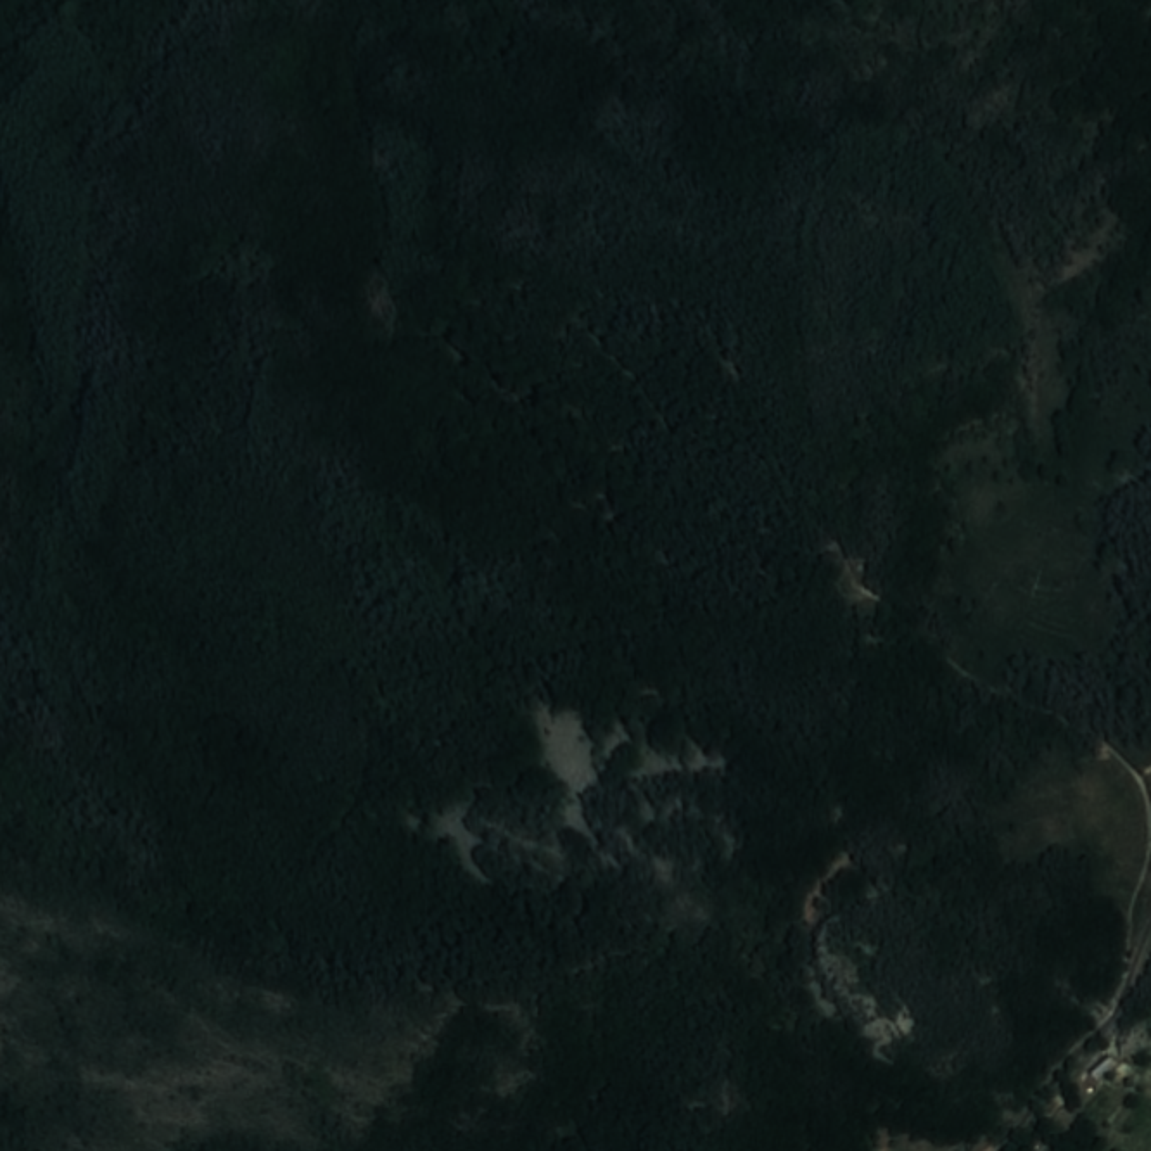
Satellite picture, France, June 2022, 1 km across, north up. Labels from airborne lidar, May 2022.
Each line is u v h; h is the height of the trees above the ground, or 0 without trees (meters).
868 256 18
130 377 21
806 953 6
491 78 24
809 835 16
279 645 14
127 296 23
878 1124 12
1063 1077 16
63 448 24
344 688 10
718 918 8
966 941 9
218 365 9
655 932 11
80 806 15
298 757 17
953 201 35
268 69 8
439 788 16
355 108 22
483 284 14
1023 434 11
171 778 19
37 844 9
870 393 21
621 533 23
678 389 19
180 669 20
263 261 8
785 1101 16
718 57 8
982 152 22
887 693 16
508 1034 7
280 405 20
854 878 14
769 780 19
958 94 15
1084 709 11
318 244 23
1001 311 33
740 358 15
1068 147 21
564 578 18
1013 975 13
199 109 20
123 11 13
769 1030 14
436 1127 17
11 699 14
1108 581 0
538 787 20
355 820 12
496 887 11
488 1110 7
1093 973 15
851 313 20
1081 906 14
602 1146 18
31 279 35
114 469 22
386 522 30
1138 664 10
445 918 13
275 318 15
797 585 15
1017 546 0
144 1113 0
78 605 23
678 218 22
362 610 20
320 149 24
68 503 29
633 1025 19
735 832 12
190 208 19
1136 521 13
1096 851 0
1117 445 0
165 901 18
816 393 11
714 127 22
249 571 12
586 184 22
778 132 17
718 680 11
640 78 14
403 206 29
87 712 15
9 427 24
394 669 19
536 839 8
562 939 19
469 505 15
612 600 15
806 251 25
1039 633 0
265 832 18
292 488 17
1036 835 0
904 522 11
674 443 19
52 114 23
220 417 16
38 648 29
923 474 14
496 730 21
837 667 13
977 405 15
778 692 9
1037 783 0
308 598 19
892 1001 12
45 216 30
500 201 17
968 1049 11
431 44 18
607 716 18
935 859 9
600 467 26
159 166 20
